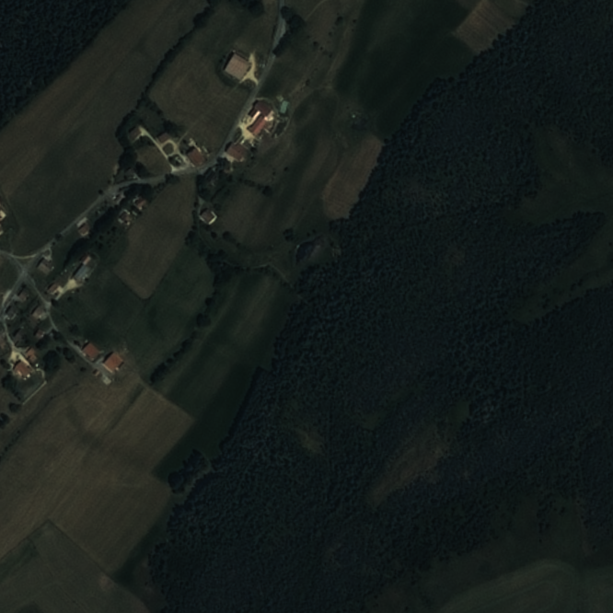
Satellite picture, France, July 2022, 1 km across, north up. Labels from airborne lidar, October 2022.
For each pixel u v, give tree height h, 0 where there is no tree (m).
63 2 25
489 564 0
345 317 21
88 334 0
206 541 11
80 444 0
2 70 26
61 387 0
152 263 0
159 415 0
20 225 0
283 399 11
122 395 0
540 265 22
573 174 0
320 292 6
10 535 0
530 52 12
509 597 0
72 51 20
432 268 11
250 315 0
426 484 6
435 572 0
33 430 0
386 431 11
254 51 0
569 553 0
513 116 13
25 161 0
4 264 0
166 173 0
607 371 10
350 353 9
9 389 10
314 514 10
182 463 0
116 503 0
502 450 7
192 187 0
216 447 0
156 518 0
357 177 0
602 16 7
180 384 0
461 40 0
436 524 12
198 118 0
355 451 10
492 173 10
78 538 0
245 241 0
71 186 0
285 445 17
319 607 8
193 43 0
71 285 0
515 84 9
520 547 0
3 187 0
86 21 19
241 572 9
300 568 6
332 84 0
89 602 0
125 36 0
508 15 0
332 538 11
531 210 0
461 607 0
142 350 0
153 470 0
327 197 0
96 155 0
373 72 0
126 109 0
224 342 0
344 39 0
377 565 9
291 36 15
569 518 0
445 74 0
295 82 0
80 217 0
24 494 0
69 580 0
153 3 0
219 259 17
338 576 9
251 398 20
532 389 12
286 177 0
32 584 0
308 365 14
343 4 0
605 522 7
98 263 0
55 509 0
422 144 11
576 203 0
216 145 0
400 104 0
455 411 0
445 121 9
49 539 0
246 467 17
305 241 0
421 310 10
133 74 0
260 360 0
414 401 7
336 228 12
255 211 0
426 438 0
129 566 0
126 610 0
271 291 0
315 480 14
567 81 12
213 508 20
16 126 0
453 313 12
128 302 0
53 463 0
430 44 0
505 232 12
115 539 0
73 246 0
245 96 0
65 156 0
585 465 10
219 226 0
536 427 7
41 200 0
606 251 0
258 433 23
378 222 12
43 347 11
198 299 0
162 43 0
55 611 0
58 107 0
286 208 0
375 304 6
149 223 0
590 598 0
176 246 0
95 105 0
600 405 8
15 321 0
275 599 10
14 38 22
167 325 0
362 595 12
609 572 0
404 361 7
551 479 10
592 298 11
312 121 0
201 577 11
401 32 0
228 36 0
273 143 0
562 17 9
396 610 0
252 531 8
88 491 0
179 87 0
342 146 0
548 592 0
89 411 0
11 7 26
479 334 17
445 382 11
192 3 0
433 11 0
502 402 9
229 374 0
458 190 8
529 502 0
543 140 0
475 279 8
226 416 0
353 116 0
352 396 10
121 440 0
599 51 10
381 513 9
